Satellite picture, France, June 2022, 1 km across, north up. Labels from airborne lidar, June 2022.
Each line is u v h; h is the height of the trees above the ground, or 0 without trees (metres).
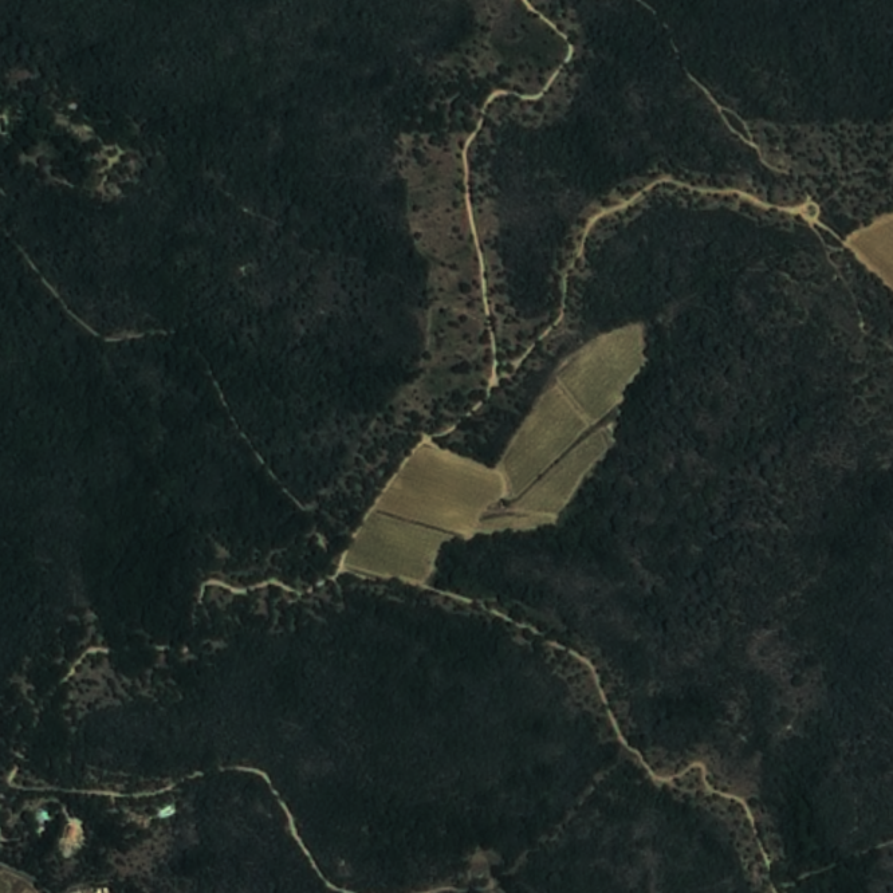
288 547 8
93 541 12
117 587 16
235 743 6
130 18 7
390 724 7
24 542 9
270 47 10
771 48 7
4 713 10
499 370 7
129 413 11
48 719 12
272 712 6
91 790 8
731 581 8
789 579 10
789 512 13
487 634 11
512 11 0
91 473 7
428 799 6
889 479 12
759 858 7
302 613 8
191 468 10
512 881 11
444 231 0
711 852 9
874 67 6
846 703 7
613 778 9
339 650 8
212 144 7
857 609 6
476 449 6
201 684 7
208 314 14
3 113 7
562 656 8
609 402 0
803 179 6
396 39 6
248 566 6
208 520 9
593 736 8
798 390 9
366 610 8
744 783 0
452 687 7
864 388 7
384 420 8
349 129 6
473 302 6
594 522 6
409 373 7
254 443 10
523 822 8
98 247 10
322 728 9
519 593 7
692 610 11
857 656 9
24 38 14
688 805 9
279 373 11
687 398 8
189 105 6
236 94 6
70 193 8
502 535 9
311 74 8
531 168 6
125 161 8
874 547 7
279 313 8
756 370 6
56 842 7
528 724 9
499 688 9
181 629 11
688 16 8
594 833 6
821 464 6
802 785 5
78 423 9
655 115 6
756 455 5
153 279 9
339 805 8
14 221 12
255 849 7
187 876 7
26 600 9
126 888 9
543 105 8
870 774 5
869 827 7
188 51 6
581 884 6
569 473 0
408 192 6
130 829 7
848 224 7
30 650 7
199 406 9
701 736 8
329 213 9
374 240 12
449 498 0
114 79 6
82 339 13
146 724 6
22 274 10
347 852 7
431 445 0
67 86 11
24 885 0
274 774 6
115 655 11
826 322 6
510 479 0
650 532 9
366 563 0
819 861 9
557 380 0
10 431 11
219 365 11
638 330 0
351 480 8
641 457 6
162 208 7
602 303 7
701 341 7
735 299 6
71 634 9
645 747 7
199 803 6
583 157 8
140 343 9
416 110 10
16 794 6
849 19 6
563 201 0
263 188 8
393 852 8
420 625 7
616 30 7
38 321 11
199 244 9
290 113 12
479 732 6
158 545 15
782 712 6
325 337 7
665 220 5
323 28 7
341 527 10
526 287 9
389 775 7
